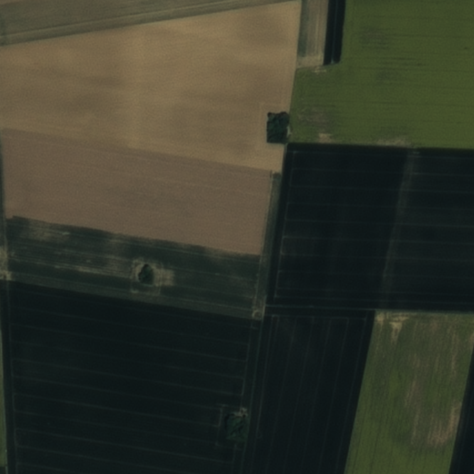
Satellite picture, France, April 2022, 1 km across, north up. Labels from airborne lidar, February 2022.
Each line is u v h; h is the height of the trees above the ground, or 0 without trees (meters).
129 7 0
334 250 0
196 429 0
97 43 0
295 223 0
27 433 0
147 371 0
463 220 0
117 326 0
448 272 0
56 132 0
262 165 0
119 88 0
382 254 0
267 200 0
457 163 0
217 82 0
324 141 0
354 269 0
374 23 0
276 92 0
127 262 0
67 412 0
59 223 0
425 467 0
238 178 0
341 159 0
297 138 0
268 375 0
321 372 0
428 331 0
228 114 0
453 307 0
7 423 0
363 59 0
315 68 0
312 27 0
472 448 0
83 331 0
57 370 0
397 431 0
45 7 0
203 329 0
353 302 0
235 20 0
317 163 0
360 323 0
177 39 0
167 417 0
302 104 0
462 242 0
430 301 0
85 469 0
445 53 0
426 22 0
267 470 0
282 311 0
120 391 0
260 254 0
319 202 0
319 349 0
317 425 0
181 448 0
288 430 0
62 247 0
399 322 0
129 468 0
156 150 0
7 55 0
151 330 0
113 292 0
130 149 0
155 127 0
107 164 0
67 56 0
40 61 0
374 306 0
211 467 0
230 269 0
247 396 0
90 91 0
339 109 0
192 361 0
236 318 0
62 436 0
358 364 0
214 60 0
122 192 0
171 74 0
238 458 0
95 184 0
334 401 0
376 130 0
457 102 0
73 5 0
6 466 0
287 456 0
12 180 0
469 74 0
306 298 0
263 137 0
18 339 0
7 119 0
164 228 0
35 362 0
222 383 0
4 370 0
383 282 0
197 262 0
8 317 0
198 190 0
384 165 0
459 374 0
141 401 0
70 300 0
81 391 0
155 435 0
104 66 0
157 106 0
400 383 0
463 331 0
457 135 0
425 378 0
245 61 0
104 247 0
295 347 0
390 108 0
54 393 0
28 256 0
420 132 0
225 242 0
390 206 0
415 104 0
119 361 0
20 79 0
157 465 0
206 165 0
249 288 0
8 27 0
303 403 0
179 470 0
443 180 0
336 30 0
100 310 0
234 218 0
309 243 0
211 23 0
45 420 0
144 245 0
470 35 0
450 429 0
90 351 0
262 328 0
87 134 0
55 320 0
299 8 0
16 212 0
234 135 0
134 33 0
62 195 0
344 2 0
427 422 0
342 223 0
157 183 0
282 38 0
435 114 0
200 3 0
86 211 0
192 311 0
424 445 0
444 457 0
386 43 0
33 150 0
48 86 0
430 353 0
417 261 0
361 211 0
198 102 0
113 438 0
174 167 0
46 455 0
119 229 0
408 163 0
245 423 8
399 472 0
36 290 0
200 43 0
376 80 0
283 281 0
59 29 0
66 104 0
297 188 0
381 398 0
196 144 0
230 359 0
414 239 0
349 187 0
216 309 0
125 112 0
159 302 0
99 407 0
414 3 0
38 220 0
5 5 0
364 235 0
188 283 0
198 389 0
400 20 0
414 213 0
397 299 0
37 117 0
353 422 0
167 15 0
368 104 0
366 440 0
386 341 0
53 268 0
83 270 0
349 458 0
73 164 0
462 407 0
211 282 0
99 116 0
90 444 0
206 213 0
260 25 0
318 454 0
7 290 0
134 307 0
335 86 0
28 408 0
